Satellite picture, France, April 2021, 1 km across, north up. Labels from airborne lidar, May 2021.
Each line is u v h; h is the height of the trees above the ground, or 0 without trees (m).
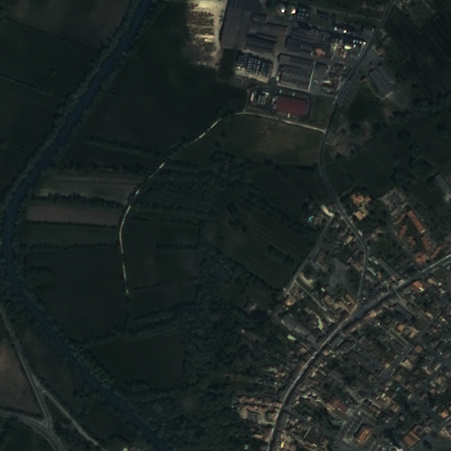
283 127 0
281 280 0
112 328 0
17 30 0
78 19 0
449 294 7
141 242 0
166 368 0
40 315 0
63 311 0
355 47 0
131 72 0
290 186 0
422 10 0
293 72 0
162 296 0
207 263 17
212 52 0
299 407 10
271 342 15
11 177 0
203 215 18
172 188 10
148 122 0
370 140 0
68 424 17
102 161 0
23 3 0
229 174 11
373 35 0
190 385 9
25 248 15
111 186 0
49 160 0
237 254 0
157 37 0
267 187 0
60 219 0
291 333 6
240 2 0
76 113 0
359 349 0
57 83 0
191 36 0
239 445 13
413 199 0
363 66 0
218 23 0
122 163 0
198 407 0
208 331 8
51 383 0
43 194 0
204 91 0
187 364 14
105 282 0
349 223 0
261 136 0
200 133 0
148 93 0
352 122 0
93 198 0
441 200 0
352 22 0
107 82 19
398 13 0
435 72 0
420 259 0
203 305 21
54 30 0
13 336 0
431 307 7
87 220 0
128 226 0
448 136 13
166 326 19
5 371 0
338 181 0
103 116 0
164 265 0
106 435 0
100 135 0
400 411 0
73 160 0
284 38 0
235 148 0
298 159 0
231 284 0
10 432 19
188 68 0
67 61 0
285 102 0
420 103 13
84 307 0
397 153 0
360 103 0
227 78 0
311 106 0
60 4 0
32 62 0
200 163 0
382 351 0
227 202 0
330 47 0
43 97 0
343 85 0
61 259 0
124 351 0
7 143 12
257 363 29
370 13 11
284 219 8
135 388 17
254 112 0
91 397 18
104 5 0
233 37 0
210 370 18
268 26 0
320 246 0
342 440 0
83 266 0
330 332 0
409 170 0
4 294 17
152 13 16
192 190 7
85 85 16
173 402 16
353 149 0
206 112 0
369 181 0
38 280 22
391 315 7
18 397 0
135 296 0
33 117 0
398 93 0
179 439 33
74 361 0
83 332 0
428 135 0
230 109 0
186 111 0
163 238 0
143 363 0
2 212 24
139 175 21
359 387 0
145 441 21
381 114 0
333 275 0
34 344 0
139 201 10
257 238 0
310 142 0
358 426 11
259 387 10
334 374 0
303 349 0
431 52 0
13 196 15
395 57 0
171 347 0
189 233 0
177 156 16
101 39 0
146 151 8
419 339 0
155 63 0
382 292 0
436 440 15
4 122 0
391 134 0
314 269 0
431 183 17
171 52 0
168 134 0
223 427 15
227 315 14
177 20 0
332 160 0
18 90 0
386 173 0
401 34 0
